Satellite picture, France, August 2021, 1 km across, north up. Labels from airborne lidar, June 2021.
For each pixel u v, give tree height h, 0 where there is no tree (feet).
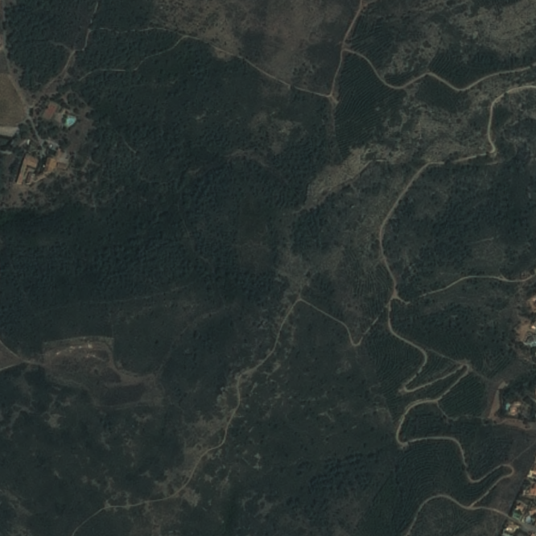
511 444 18
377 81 19
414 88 0
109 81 31
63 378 0
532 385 36
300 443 0
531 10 0
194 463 0
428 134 0
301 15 0
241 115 0
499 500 0
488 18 0
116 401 0
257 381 0
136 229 34
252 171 38
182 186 45
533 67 22
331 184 0
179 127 42
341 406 0
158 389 0
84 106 35
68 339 0
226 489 0
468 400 19
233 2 0
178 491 0
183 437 0
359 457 34
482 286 0
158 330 0
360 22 18
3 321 22
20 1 43
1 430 0
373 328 29
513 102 0
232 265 23
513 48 0
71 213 0
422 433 19
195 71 29
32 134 20
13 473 0
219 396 0
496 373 18
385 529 20
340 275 0
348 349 0
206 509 0
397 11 0
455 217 29
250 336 0
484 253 0
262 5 0
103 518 0
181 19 0
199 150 21
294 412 0
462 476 19
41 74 25
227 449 0
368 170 0
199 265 33
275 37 0
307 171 30
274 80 0
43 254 32
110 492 0
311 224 37
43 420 0
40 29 37
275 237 27
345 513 0
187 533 0
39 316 0
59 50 22
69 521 0
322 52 0
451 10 0
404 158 0
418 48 0
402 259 0
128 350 0
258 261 0
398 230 20
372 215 0
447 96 18
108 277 33
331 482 41
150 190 46
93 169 20
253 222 0
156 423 0
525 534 19
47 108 19
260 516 0
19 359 0
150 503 0
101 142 32
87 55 31
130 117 33
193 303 0
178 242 28
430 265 22
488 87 0
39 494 0
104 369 0
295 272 0
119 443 0
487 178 0
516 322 0
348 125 18
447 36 0
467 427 19
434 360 18
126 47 27
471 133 0
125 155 21
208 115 24
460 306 26
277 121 0
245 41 0
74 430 0
